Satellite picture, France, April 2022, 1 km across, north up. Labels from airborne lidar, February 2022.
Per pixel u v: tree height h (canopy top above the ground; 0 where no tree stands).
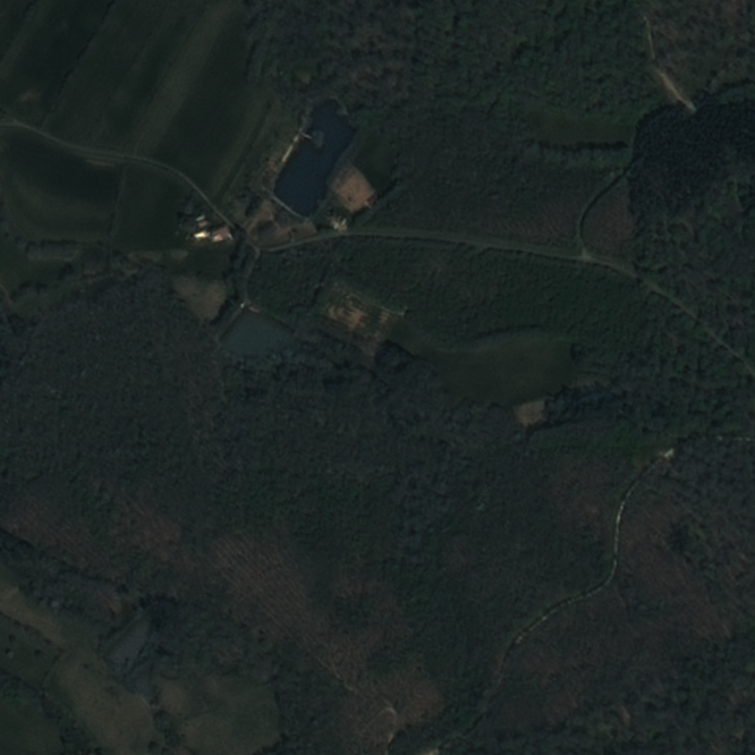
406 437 24
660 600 21
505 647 18
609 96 22
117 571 13
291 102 22
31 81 0
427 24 23
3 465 15
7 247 0
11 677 7
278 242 0
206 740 0
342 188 0
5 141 0
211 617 22
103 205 0
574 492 17
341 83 24
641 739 24
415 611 14
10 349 25
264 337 0
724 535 26
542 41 24
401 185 10
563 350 0
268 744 0
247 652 21
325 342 26
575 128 0
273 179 16
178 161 0
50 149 0
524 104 19
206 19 0
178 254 0
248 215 10
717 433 22
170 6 0
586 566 24
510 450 18
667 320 20
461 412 8
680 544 13
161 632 27
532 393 0
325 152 0
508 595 19
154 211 0
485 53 29
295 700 13
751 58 26
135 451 16
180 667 21
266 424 24
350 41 23
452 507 16
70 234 0
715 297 26
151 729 0
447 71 24
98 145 0
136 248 0
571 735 28
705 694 28
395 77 28
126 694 0
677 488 27
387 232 0
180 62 0
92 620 18
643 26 24
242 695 0
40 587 7
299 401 8
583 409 30
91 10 0
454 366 0
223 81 0
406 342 0
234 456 23
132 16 0
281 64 23
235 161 0
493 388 0
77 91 0
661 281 18
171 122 0
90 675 0
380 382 27
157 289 12
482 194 8
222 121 0
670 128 26
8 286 0
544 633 17
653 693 30
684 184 25
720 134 24
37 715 0
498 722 16
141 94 0
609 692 17
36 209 0
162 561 16
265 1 9
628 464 19
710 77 0
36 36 0
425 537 11
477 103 21
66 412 14
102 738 0
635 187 22
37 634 11
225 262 0
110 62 0
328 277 11
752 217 22
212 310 0
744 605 24
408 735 18
